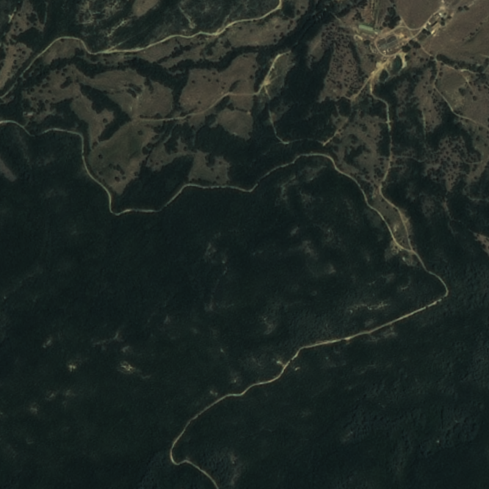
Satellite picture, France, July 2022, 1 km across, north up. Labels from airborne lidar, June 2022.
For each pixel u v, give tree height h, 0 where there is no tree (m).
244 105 0
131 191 6
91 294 7
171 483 9
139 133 8
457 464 8
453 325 6
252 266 7
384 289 6
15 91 9
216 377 7
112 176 0
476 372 10
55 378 8
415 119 6
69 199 6
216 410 6
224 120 0
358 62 6
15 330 8
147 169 8
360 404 6
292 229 7
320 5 7
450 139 6
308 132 6
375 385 17
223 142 5
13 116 6
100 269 7
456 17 0
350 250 6
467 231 7
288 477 8
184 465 6
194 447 7
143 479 15
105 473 11
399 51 0
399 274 7
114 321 8
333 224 6
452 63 6
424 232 7
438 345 6
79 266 6
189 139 10
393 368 7
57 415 6
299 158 6
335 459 11
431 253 7
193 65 10
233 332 6
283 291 9
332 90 0
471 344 7
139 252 7
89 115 0
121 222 6
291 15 7
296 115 6
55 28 8
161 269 6
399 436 7
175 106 7
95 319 8
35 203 6
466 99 0
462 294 7
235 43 0
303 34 7
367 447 6
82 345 7
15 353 7
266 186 6
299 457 7
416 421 13
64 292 7
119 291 6
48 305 6
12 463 6
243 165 6
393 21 7
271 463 7
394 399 6
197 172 0
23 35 7
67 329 6
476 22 0
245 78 0
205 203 6
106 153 0
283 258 5
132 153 0
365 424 13
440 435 6
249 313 5
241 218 7
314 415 6
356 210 6
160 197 8
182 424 7
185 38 0
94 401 8
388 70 0
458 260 8
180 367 8
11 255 10
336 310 10
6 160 6
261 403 7
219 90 0
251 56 0
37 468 7
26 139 7
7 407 6
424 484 7
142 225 6
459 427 13
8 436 7
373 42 0
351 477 9
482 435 6
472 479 6
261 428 6
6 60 0
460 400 5
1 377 6
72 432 6
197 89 0
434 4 0
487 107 0
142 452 9
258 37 0
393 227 0
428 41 0
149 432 8
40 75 14
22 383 6
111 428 7
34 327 10
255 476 7
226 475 9
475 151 7
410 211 5
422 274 6
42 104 7
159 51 0
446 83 0
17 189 7
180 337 7
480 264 8
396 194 9
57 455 7
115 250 7
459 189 5
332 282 6
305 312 10
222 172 0
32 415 6
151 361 8
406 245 0
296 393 5
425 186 6
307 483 6
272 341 6
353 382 5
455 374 6
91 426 7
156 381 7
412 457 9
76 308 6
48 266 7
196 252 6
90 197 7
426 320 7
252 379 6
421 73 6
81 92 6
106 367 6
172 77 9
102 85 0
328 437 6
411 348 6
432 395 6
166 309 5
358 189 6
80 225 6
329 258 7
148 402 6
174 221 5
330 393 7
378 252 6
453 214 6
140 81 0
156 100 0
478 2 0
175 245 7
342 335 11
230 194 6
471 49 0
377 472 5
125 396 7
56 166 6
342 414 7
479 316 7
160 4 6
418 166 7
